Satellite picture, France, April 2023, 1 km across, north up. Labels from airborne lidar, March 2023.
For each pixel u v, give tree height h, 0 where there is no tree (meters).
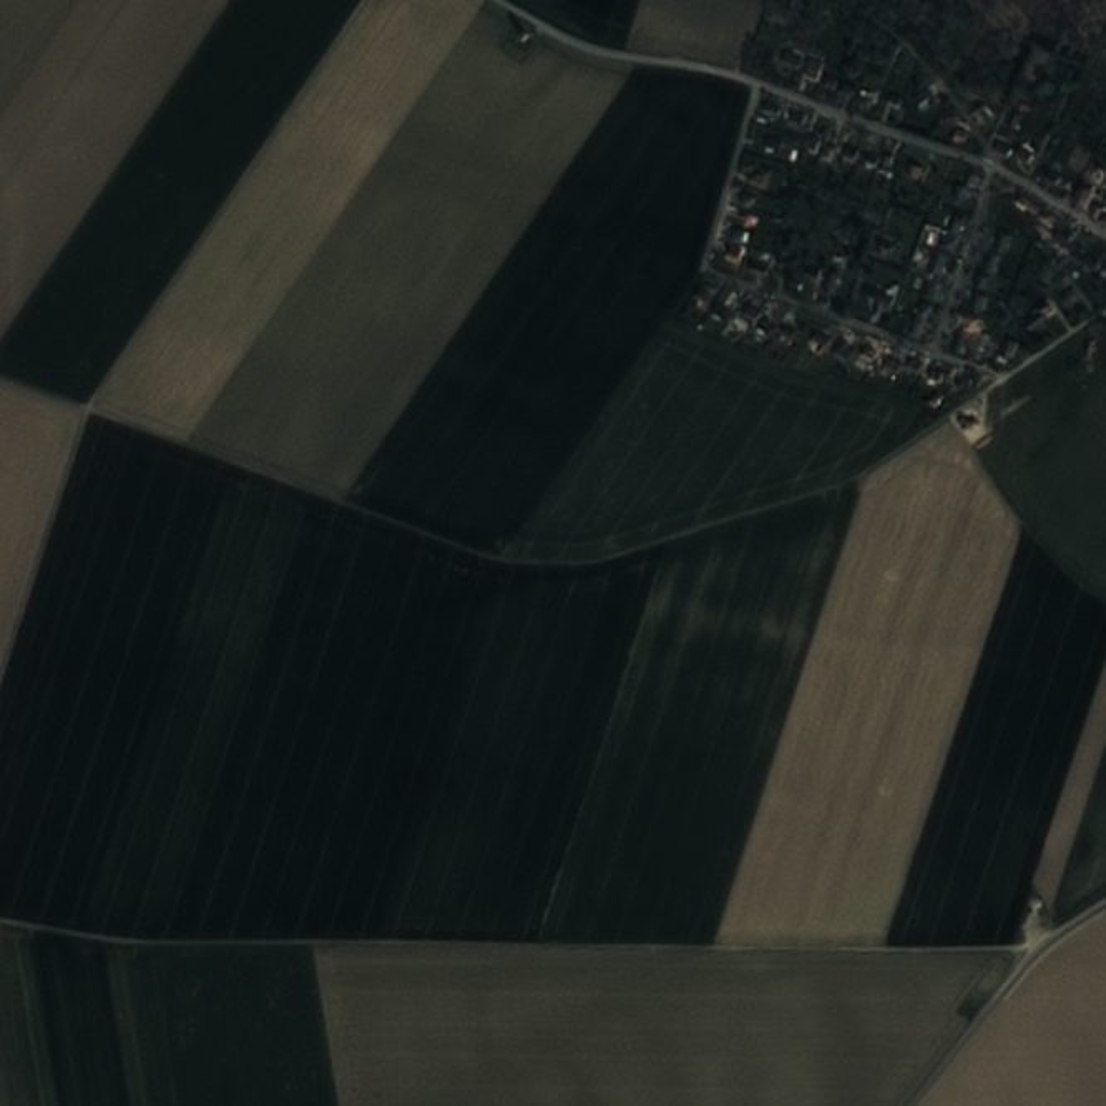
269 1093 0
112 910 0
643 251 0
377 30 0
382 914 0
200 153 0
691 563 0
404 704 0
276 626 0
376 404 0
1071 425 0
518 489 0
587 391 0
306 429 0
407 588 0
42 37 0
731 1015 0
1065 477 0
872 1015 0
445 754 0
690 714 0
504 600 0
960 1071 0
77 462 0
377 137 0
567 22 0
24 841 0
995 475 0
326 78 0
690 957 0
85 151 0
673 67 0
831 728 0
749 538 0
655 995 0
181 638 0
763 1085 0
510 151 0
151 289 0
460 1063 0
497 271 0
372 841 0
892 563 0
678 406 0
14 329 0
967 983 0
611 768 0
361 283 0
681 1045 0
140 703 0
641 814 0
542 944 0
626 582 0
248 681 0
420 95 0
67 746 0
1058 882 0
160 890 0
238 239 0
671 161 0
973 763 0
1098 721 0
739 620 0
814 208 13
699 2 0
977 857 0
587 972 0
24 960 0
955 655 0
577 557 0
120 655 0
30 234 0
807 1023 0
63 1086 0
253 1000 0
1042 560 0
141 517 0
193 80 0
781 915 0
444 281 0
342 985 0
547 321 0
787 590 0
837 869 0
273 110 0
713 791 0
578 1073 0
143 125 0
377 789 0
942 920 0
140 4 0
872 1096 0
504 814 0
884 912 0
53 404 0
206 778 0
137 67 0
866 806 0
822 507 0
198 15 0
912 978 0
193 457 0
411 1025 0
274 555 0
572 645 0
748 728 0
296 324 0
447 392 0
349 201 0
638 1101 0
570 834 0
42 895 0
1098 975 0
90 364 0
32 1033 0
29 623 0
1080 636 0
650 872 0
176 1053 0
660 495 0
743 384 0
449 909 0
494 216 0
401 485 0
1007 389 0
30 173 0
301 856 0
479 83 0
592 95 0
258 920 0
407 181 0
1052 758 0
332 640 0
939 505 0
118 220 0
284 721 0
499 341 0
